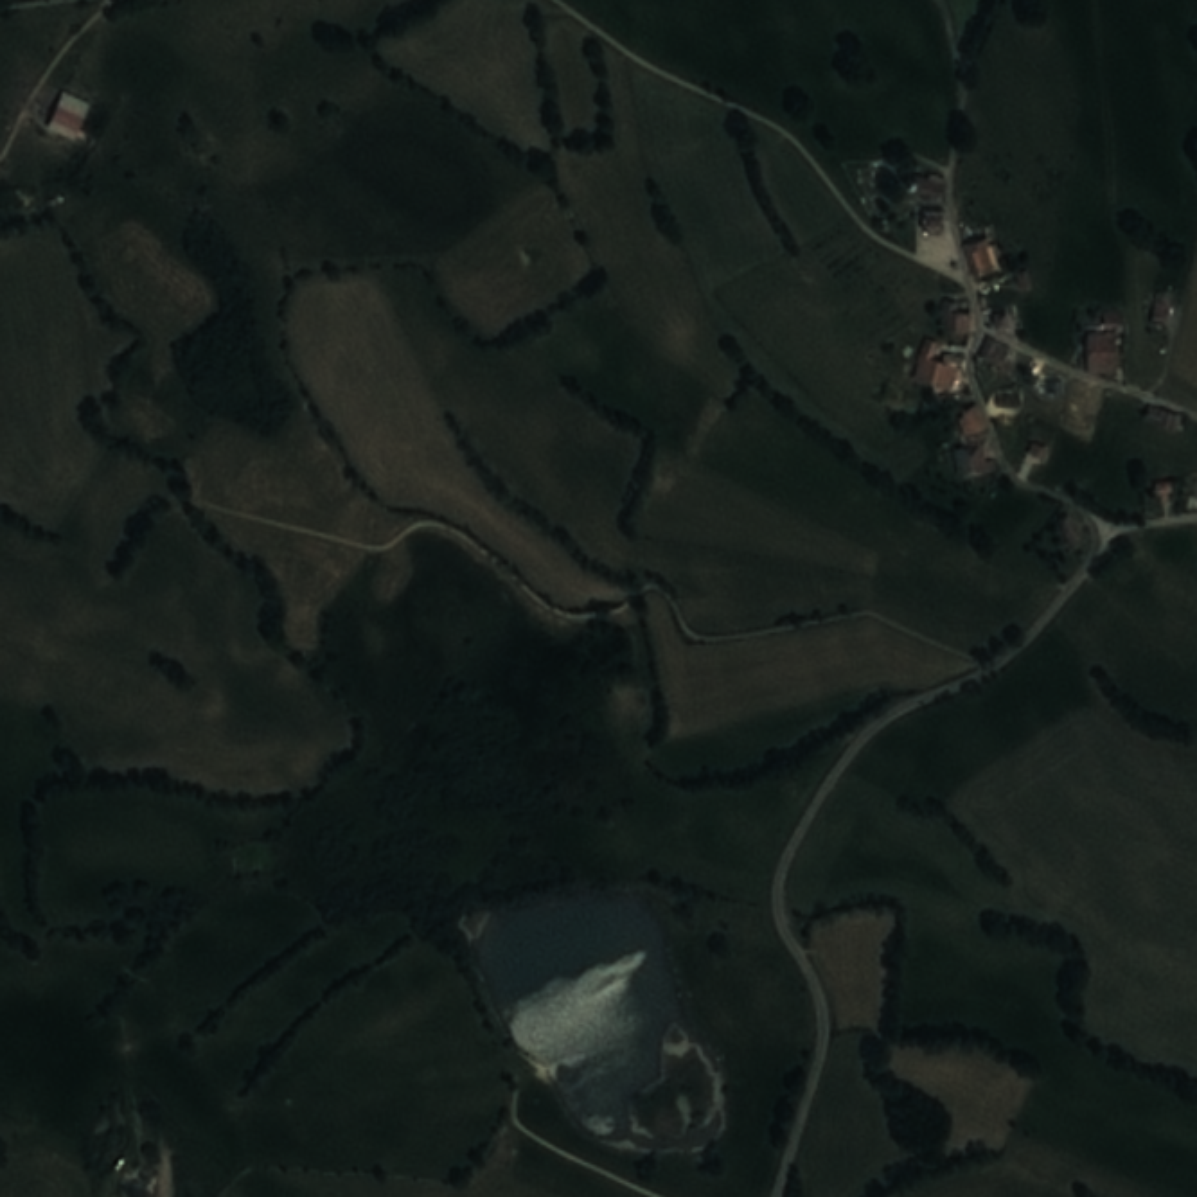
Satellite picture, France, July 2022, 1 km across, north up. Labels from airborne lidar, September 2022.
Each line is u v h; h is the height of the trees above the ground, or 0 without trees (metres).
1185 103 0
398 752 0
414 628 0
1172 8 0
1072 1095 0
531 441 0
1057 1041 0
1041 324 0
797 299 0
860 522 0
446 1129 0
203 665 0
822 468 0
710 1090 0
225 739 0
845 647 0
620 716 0
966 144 19
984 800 0
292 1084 0
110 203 0
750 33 0
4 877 0
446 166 0
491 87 0
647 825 0
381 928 0
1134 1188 0
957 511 10
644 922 0
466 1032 0
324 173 0
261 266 0
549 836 0
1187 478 0
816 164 0
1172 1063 0
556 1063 0
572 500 0
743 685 0
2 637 0
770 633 0
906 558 0
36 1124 0
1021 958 0
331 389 0
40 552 0
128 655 0
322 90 0
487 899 16
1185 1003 0
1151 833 0
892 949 16
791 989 0
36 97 0
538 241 0
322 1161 0
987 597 0
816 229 0
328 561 0
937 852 0
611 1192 0
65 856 0
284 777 0
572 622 0
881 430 0
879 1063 21
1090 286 0
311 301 0
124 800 0
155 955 14
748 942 0
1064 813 0
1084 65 0
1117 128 0
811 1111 0
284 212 0
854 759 0
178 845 0
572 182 0
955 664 0
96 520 0
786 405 18
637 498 17
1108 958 0
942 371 0
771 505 0
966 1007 0
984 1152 18
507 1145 0
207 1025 7
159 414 0
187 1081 0
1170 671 0
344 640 0
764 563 0
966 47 13
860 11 0
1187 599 0
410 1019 0
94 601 0
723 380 0
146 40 0
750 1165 0
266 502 0
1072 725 0
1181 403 0
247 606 0
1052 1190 0
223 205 0
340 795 0
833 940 0
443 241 0
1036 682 0
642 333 0
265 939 0
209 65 0
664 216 19
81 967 0
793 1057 0
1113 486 0
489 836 0
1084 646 0
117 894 10
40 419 0
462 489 0
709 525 0
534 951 0
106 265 0
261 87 0
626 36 0
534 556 0
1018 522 0
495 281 0
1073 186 0
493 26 0
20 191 0
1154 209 0
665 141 0
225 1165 0
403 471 0
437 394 0
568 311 12
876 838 0
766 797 0
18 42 0
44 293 0
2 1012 0
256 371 7
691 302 0
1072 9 0
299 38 0
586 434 0
